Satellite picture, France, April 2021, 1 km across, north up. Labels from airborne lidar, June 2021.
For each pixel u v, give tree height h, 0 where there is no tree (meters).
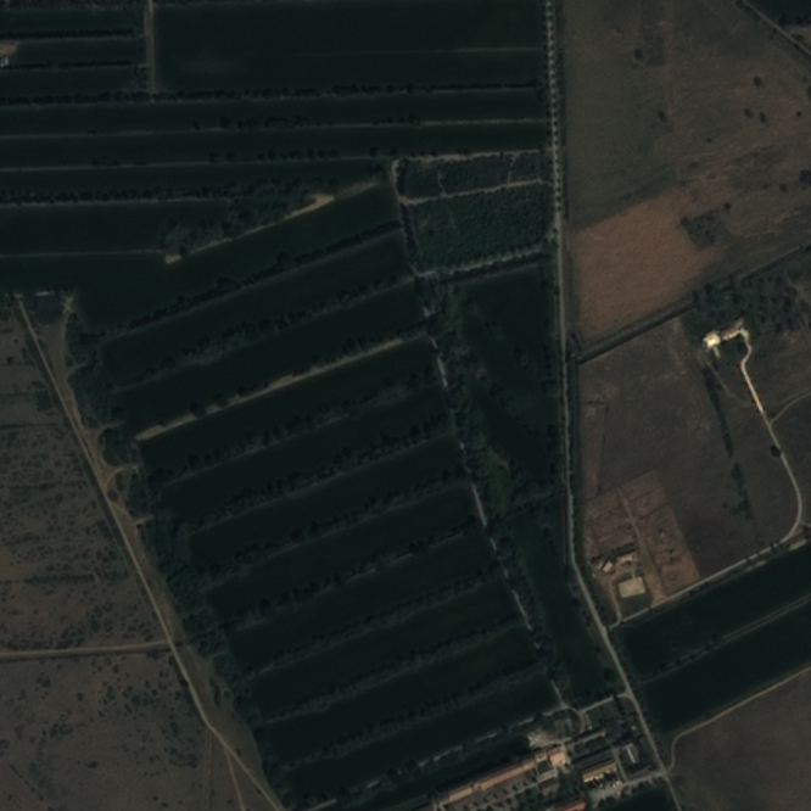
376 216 0
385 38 0
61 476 0
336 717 0
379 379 0
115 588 0
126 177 0
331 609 0
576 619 0
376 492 0
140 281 0
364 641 0
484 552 0
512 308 0
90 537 0
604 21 0
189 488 0
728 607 0
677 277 0
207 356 22
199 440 0
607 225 0
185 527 12
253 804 0
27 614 0
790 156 0
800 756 0
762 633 0
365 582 0
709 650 7
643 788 9
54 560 0
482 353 0
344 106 0
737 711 0
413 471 0
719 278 0
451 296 15
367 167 0
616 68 0
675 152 0
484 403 0
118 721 0
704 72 0
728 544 0
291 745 0
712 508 0
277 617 13
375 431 0
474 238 6
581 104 0
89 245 0
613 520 0
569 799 15
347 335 0
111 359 0
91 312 0
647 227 0
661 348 0
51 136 0
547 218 6
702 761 0
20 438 0
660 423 0
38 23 0
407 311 0
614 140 0
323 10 0
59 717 0
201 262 0
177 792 0
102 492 0
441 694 0
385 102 0
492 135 0
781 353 0
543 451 0
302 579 0
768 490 0
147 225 0
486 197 6
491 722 0
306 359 0
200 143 0
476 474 24
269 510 0
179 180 0
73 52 0
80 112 0
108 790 0
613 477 0
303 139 0
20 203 14
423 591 0
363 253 0
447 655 13
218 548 0
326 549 0
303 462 0
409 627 0
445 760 7
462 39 0
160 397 0
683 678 0
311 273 0
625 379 0
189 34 0
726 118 0
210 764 0
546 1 10
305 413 0
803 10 0
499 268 12
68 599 0
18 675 0
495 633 14
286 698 0
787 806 0
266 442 8
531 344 0
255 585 0
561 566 0
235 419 0
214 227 17
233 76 0
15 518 0
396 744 0
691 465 0
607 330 0
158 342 0
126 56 0
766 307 11
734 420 0
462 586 7
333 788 0
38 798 0
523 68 0
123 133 0
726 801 0
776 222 0
